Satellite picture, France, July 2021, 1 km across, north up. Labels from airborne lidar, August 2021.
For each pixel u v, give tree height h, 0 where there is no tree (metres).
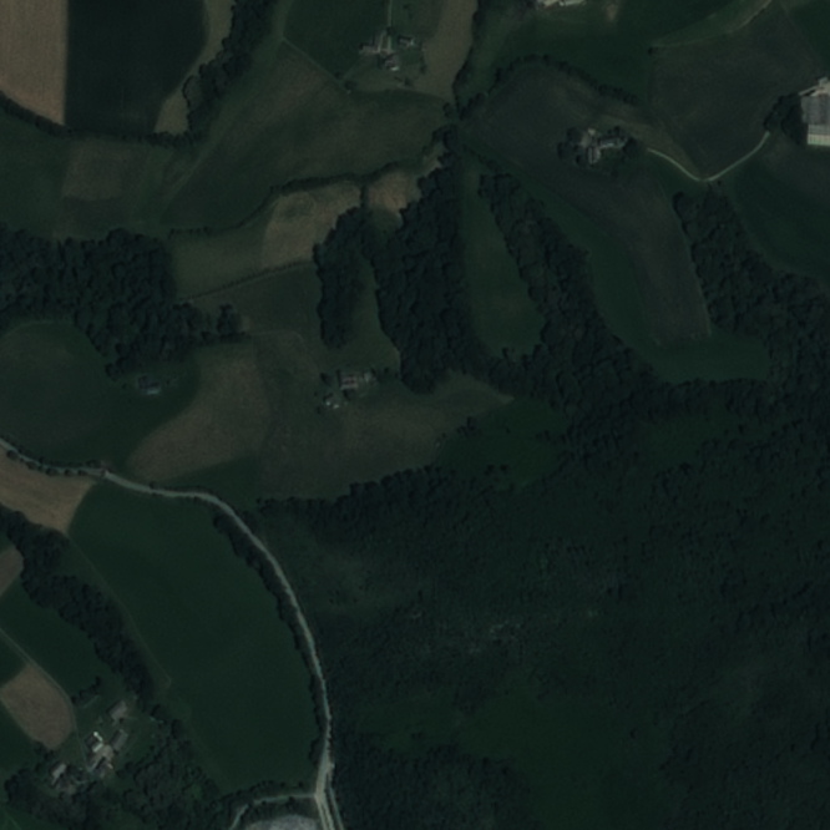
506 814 10
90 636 22
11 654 0
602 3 0
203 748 0
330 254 31
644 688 7
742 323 22
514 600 6
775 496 11
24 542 26
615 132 8
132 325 14
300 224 0
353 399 18
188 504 9
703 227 19
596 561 8
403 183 0
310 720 0
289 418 0
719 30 0
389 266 22
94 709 0
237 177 0
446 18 0
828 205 0
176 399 0
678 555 6
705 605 7
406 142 0
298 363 0
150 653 0
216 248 0
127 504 0
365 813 10
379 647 6
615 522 11
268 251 0
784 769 5
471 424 13
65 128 10
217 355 0
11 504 0
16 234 6
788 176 0
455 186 31
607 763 0
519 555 7
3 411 0
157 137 16
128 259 15
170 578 0
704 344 0
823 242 0
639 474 12
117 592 0
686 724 5
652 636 6
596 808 0
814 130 0
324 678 8
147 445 0
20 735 0
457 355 29
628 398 29
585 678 6
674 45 0
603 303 0
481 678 6
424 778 12
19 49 0
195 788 13
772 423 20
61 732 0
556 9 0
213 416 0
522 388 21
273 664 0
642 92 0
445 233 22
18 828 0
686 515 10
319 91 0
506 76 18
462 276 13
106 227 0
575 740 0
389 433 0
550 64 18
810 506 11
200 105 25
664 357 0
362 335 0
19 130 0
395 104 0
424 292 37
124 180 0
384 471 0
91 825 20
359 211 14
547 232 28
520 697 0
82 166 0
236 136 0
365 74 0
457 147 23
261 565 23
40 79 0
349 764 9
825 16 0
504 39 0
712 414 11
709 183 7
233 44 20
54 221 0
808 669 8
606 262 0
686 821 7
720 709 5
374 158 0
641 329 0
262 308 0
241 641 0
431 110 0
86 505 0
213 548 0
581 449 16
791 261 0
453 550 8
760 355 0
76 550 0
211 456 0
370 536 11
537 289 14
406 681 7
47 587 18
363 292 15
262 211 6
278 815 12
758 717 8
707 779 7
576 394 35
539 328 0
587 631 7
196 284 0
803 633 7
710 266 23
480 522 9
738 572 12
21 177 0
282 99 0
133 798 13
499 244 0
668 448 0
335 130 0
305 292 0
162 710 17
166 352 19
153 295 17
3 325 23
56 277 22
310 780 0
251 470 0
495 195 17
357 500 24
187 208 0
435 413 0
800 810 6
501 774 8
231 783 0
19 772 0
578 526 7
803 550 9
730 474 10
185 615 0
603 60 0
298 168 0
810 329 30
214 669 0
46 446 0
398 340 23
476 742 0
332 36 0
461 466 0
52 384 0
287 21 0
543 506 9
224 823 21
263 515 13
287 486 0
